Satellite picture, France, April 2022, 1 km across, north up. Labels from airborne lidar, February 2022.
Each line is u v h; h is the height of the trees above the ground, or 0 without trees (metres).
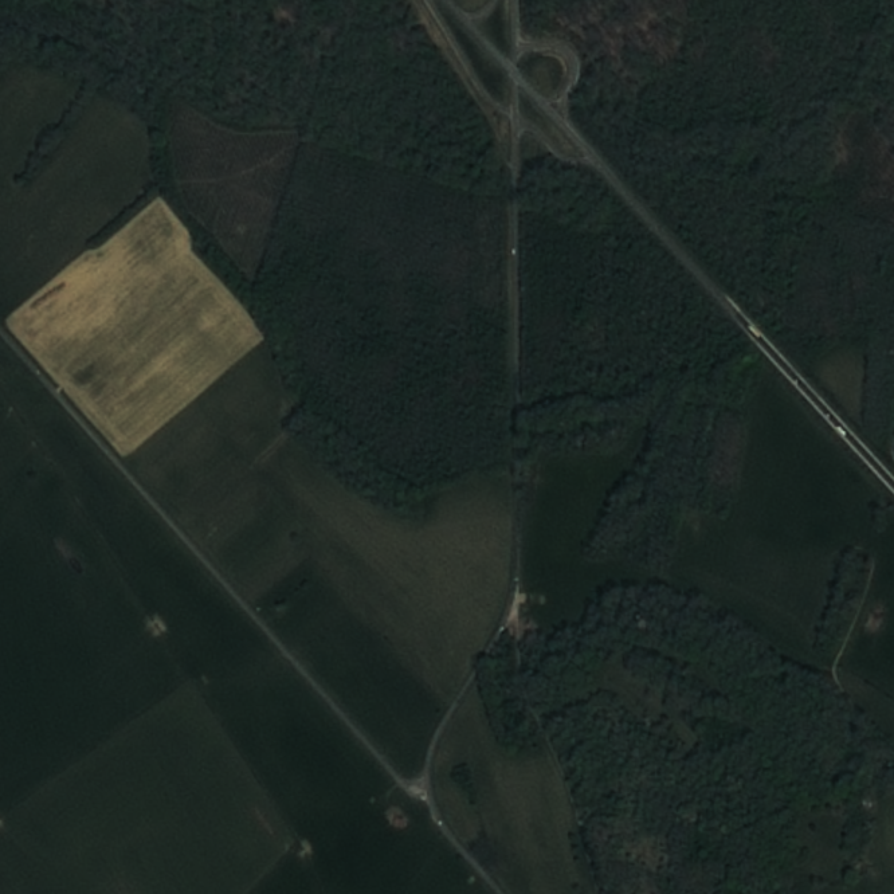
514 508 0
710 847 7
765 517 0
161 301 0
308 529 0
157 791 0
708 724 7
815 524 0
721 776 15
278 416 0
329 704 0
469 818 0
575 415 31
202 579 0
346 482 22
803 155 24
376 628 0
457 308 11
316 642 0
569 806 0
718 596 0
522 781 0
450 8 0
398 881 0
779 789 15
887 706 0
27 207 0
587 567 0
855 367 0
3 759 0
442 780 0
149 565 0
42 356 0
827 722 28
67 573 0
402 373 15
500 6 0
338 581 0
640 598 18
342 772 0
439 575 0
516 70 0
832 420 0
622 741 9
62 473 0
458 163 19
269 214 0
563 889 0
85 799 0
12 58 25
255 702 0
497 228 0
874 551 0
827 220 15
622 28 30
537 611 0
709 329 19
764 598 0
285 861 0
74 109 11
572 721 16
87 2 25
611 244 16
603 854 16
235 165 0
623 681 0
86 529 0
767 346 0
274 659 0
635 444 0
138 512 0
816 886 18
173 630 0
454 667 0
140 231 0
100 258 0
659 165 27
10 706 0
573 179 27
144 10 24
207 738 0
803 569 0
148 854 0
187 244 0
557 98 0
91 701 0
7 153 0
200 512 0
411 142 25
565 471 0
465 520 0
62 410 0
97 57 10
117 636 0
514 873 0
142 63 25
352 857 0
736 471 28
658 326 19
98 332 0
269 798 0
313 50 25
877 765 21
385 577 0
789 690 28
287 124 25
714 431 24
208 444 0
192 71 23
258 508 0
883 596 0
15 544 0
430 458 13
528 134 0
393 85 20
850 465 0
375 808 0
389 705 0
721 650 27
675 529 24
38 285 0
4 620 0
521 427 23
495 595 0
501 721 20
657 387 24
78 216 0
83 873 0
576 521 0
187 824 0
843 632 11
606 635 23
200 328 0
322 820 0
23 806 0
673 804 12
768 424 0
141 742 0
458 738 0
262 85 25
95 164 0
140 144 0
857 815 6
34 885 0
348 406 9
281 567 0
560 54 0
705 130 24
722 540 0
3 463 0
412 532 0
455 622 0
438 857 0
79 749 0
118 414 0
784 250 17
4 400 0
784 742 27
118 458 0
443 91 26
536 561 0
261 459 0
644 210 0
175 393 0
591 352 19
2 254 0
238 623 0
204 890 0
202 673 0
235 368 0
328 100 24
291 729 0
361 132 25
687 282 14
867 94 23
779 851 26
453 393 12
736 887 14
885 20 23
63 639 0
